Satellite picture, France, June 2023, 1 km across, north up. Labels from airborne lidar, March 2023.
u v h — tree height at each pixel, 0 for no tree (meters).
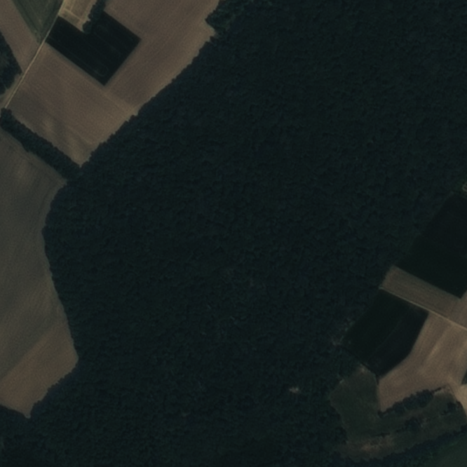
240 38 20
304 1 26
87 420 25
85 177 19
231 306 25
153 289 28
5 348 0
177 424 22
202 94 23
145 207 24
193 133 20
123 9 0
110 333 17
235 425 24
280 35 25
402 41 24
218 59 20
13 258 0
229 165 28
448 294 0
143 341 31
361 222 26
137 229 26
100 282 28
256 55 22
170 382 29
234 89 23
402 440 0
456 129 26
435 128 22
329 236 27
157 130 23
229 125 25
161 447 25
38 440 26
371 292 20
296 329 25
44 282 0
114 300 27
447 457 0
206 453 19
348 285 25
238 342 23
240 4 21
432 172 26
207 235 19
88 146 0
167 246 25
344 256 23
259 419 21
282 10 26
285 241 26
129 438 19
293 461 29
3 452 16
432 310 0
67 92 0
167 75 0
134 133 8
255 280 26
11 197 0
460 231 0
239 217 28
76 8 0
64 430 20
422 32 25
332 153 27
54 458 13
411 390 0
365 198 25
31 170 0
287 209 29
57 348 0
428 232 0
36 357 0
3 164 0
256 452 15
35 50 0
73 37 0
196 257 24
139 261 25
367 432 0
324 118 23
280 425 22
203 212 16
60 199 19
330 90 18
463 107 22
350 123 24
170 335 31
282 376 29
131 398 27
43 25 0
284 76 21
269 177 23
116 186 23
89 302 26
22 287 0
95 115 0
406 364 0
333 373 14
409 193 23
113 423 23
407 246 15
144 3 0
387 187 22
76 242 24
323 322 29
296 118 25
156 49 0
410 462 16
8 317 0
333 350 21
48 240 19
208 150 25
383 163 17
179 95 19
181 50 0
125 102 0
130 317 27
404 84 27
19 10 0
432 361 0
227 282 28
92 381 24
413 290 0
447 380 0
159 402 29
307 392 19
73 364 0
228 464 15
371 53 27
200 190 12
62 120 0
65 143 0
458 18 21
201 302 29
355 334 0
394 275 0
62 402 20
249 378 26
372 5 27
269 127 23
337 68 26
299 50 24
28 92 0
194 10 0
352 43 25
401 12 24
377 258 26
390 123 26
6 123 13
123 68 0
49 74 0
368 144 26
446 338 0
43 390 0
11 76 20
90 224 16
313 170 24
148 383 25
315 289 29
